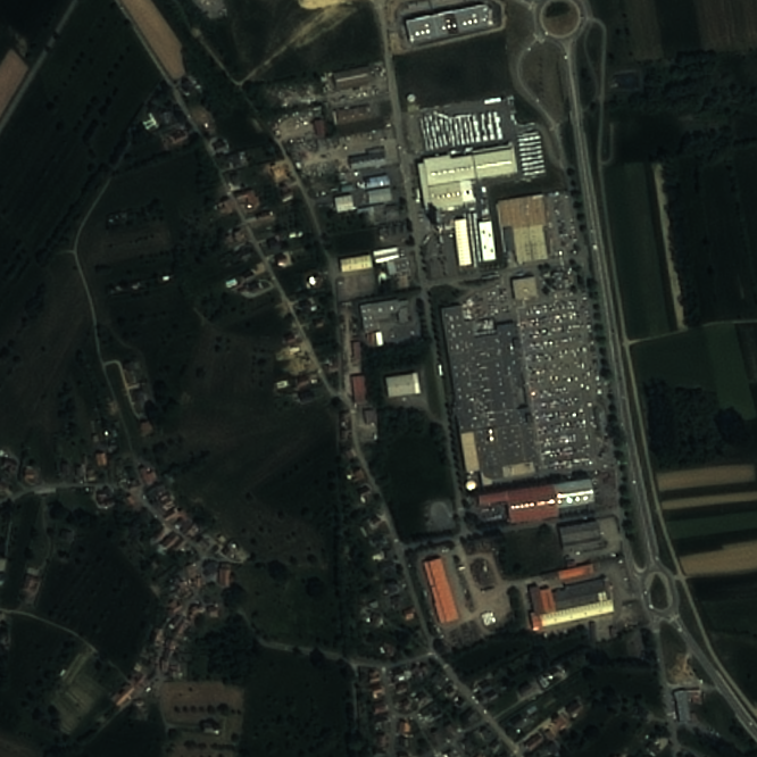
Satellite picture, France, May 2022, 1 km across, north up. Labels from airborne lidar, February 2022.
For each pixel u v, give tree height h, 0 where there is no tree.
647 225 0
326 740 17
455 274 0
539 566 0
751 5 0
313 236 9
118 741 0
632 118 0
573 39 0
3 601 0
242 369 0
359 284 0
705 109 9
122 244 0
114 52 0
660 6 0
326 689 0
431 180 0
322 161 0
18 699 0
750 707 0
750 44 0
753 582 0
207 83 16
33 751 0
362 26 0
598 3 0
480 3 8
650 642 18
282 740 0
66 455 0
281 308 0
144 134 12
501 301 0
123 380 0
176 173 0
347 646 12
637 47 0
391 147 0
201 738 0
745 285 0
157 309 0
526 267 0
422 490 0
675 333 0
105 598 0
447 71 0
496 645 0
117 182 0
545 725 0
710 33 0
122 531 6
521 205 0
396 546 0
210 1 0
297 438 0
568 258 0
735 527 0
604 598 0
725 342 0
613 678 0
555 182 0
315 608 0
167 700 0
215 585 7
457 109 0
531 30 0
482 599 0
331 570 0
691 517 0
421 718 0
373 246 0
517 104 0
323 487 0
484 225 0
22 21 0
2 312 0
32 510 0
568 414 0
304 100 0
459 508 0
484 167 0
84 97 0
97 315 0
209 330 0
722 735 0
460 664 0
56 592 0
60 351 0
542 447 0
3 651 12
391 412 11
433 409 0
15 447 0
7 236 0
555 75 0
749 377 0
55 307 0
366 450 0
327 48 0
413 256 0
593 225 0
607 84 0
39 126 0
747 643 0
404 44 0
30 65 0
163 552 0
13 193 0
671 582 0
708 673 0
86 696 0
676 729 0
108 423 7
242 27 0
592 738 15
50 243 9
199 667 0
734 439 33
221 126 0
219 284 0
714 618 0
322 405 0
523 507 0
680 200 21
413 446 0
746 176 0
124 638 0
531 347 0
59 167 0
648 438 0
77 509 0
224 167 0
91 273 0
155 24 0
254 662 21
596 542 0
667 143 0
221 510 0
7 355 12
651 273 0
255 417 0
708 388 0
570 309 0
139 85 0
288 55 0
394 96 0
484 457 0
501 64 0
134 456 0
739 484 0
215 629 0
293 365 0
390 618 6
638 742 0
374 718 6
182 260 18
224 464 0
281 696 0
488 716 0
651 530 0
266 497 0
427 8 0
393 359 17
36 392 0
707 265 0
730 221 0
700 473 0
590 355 0
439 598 0
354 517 12
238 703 0
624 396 0
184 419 0
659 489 0
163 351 0
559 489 0
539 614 0
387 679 0
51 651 0
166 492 0
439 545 9
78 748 10
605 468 0
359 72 0
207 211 6
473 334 0
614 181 0
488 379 0
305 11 0
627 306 0
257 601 0
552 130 0
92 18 0
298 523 0
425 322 7
